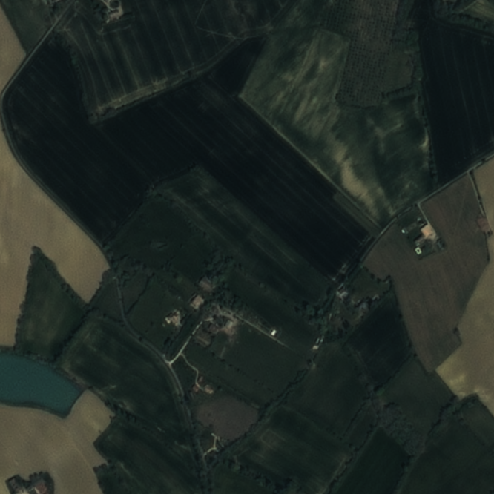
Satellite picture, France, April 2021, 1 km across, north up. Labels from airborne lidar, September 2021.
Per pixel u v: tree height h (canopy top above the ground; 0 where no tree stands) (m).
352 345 0
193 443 11
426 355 0
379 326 0
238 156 0
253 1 0
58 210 0
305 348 0
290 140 0
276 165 0
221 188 0
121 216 0
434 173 16
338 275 0
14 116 0
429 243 10
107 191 0
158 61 0
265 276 0
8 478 0
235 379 0
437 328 0
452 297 0
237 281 0
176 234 0
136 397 0
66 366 0
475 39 0
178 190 0
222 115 0
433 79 0
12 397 0
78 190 0
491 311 0
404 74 0
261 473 0
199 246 0
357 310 19
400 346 0
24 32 0
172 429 0
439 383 0
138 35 0
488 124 0
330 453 0
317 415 0
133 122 0
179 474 0
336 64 0
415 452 15
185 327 6
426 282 0
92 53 0
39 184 0
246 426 0
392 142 0
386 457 0
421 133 0
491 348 0
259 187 0
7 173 0
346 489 0
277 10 0
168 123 0
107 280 12
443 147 0
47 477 0
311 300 0
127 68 0
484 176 0
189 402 21
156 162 0
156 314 0
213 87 0
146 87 0
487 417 0
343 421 0
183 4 0
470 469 0
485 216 0
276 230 0
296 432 0
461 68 0
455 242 0
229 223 0
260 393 0
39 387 0
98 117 11
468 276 0
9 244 0
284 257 0
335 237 0
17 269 0
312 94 0
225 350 0
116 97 0
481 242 0
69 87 0
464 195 0
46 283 0
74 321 0
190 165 0
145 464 0
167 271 7
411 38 17
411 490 0
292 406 0
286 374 0
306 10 0
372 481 0
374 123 0
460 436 0
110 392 0
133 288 0
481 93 0
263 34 0
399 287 0
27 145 0
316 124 0
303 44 0
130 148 0
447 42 0
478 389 0
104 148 0
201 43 0
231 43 0
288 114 0
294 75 0
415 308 0
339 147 0
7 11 0
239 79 0
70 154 0
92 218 0
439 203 0
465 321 0
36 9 0
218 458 11
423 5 0
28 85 0
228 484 0
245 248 0
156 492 0
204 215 0
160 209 0
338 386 0
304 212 0
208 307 14
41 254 10
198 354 0
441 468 0
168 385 0
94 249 0
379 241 0
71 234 0
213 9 0
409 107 0
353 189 0
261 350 0
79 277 0
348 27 0
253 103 0
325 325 27
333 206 0
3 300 0
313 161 0
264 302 0
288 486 21
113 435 0
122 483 14
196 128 0
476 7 0
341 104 0
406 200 0
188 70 0
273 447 0
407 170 0
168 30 0
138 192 0
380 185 0
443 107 0
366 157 0
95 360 0
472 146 0
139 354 0
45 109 0
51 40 0
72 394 0
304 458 0
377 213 0
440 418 9
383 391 12
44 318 0
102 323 0
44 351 0
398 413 18
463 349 0
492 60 0
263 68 0
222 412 0
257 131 0
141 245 0
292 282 0
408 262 0
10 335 0
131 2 0
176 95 0
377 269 0
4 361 0
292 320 0
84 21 0
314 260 0
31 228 0
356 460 5
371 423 0
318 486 0
